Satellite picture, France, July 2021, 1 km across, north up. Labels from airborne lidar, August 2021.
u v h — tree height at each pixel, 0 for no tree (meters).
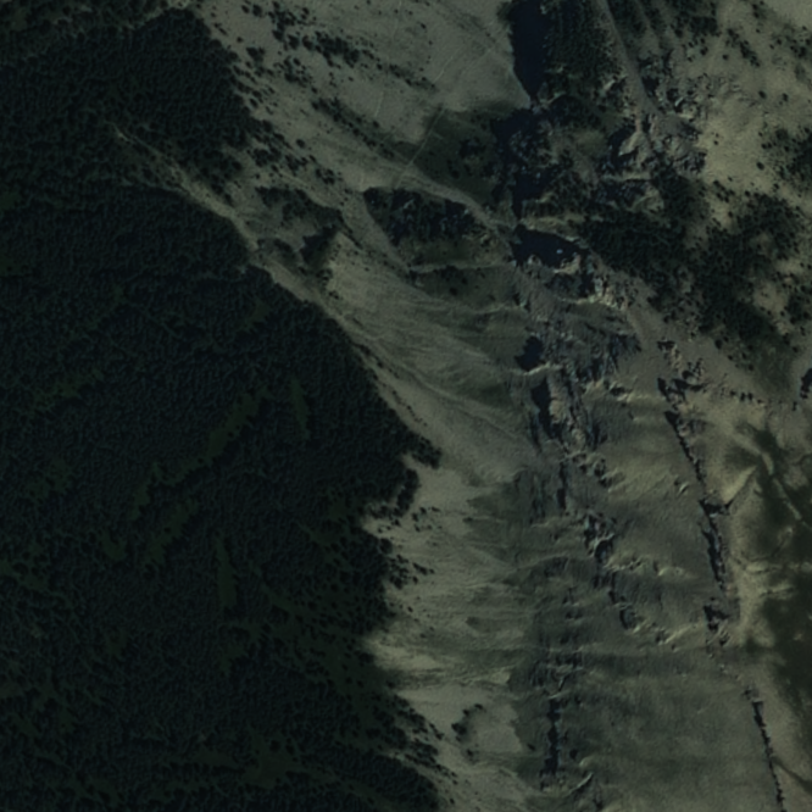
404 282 0
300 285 0
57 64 17
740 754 0
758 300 0
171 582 29
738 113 0
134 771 26
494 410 0
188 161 10
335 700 18
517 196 0
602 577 0
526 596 0
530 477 0
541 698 0
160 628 28
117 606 29
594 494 0
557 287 0
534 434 0
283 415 25
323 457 25
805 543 0
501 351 0
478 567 0
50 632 18
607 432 0
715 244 8
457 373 0
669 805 0
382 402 9
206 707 26
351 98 0
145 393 25
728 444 0
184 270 26
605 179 0
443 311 0
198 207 9
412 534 0
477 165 0
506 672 0
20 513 22
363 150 0
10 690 0
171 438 23
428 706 0
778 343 0
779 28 0
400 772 12
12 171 13
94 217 23
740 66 0
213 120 17
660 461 0
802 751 0
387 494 17
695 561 0
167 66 21
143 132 13
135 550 27
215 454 0
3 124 22
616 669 0
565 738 0
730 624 0
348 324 0
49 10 7
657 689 0
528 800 0
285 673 21
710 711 0
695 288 9
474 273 0
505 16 0
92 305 22
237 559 26
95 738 29
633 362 0
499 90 0
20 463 25
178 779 18
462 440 0
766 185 0
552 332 0
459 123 0
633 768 0
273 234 0
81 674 25
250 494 30
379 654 0
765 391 0
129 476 17
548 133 7
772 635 0
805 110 0
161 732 20
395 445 20
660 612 0
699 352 0
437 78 0
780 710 0
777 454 0
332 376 23
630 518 0
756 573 0
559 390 0
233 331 23
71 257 28
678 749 0
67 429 21
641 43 0
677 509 0
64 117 11
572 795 0
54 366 21
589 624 0
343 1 0
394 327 0
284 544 25
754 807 0
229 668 0
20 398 20
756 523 0
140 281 27
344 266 0
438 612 0
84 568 26
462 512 0
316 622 9
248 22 0
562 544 0
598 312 0
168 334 27
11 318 24
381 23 0
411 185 0
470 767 0
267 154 11
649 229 8
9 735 28
